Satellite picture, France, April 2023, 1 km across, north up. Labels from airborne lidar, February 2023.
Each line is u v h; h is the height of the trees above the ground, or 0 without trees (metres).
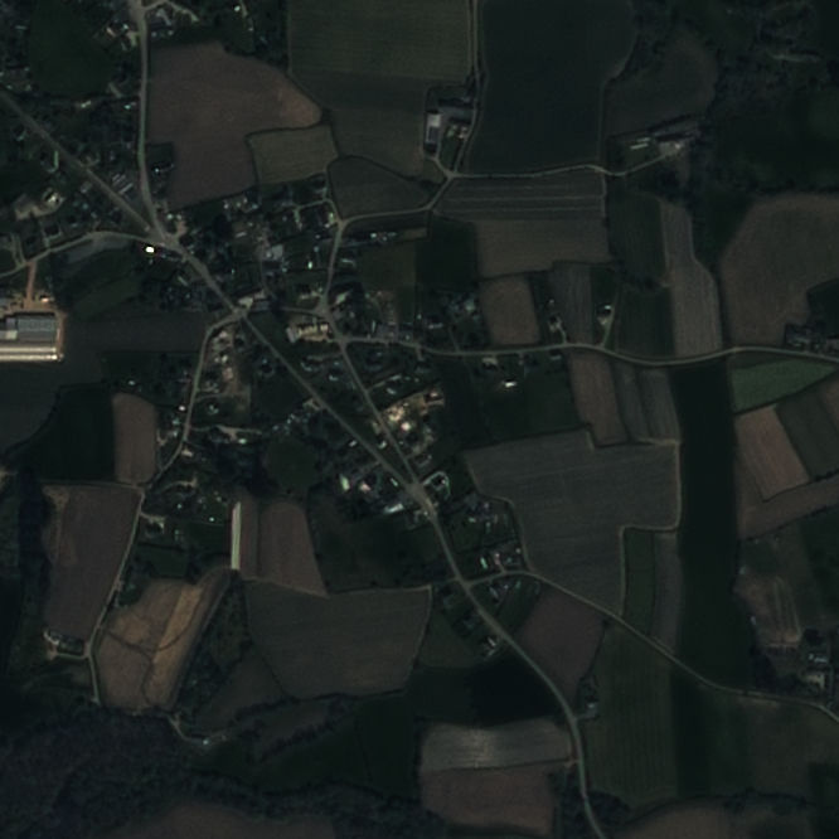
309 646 0
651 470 0
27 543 21
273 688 0
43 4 0
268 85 0
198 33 0
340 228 0
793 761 0
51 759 24
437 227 0
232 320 0
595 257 0
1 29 0
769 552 0
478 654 0
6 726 0
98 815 16
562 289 0
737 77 11
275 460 0
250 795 8
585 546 0
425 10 0
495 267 0
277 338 0
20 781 23
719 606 0
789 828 0
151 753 22
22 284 0
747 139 0
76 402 0
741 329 0
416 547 0
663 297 0
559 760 0
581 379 0
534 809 0
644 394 0
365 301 14
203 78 0
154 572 9
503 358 0
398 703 0
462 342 6
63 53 0
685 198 9
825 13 0
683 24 13
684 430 0
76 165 0
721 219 0
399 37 0
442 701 0
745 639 0
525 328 0
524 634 0
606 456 0
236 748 0
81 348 0
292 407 0
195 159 0
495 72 0
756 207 0
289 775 0
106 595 0
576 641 0
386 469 0
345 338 0
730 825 0
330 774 0
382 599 0
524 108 0
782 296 0
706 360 0
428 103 0
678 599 0
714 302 0
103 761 20
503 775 0
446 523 7
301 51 0
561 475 0
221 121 0
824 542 0
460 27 0
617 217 0
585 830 20
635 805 0
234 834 0
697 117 0
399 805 12
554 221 0
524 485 0
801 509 0
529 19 0
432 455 0
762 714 0
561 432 0
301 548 0
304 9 0
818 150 0
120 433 0
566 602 0
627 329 0
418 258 0
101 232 0
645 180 0
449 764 0
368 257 0
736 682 0
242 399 0
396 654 0
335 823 15
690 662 0
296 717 0
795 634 0
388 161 0
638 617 0
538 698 0
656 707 0
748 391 0
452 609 0
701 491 0
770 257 0
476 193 0
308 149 0
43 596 12
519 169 0
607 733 0
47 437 0
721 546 0
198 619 0
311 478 0
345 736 0
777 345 0
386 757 0
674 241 0
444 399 0
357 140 0
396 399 0
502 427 0
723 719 0
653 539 0
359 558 0
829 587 0
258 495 13
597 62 0
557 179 0
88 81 0
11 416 0
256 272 0
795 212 0
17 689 0
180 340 0
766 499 0
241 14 0
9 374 0
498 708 0
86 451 0
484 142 0
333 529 0
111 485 0
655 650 0
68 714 0
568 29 0
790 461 0
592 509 0
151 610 0
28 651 0
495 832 0
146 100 0
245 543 0
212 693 12
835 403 0
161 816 0
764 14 14
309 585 0
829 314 0
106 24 0
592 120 0
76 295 0
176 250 0
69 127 0
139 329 0
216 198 0
